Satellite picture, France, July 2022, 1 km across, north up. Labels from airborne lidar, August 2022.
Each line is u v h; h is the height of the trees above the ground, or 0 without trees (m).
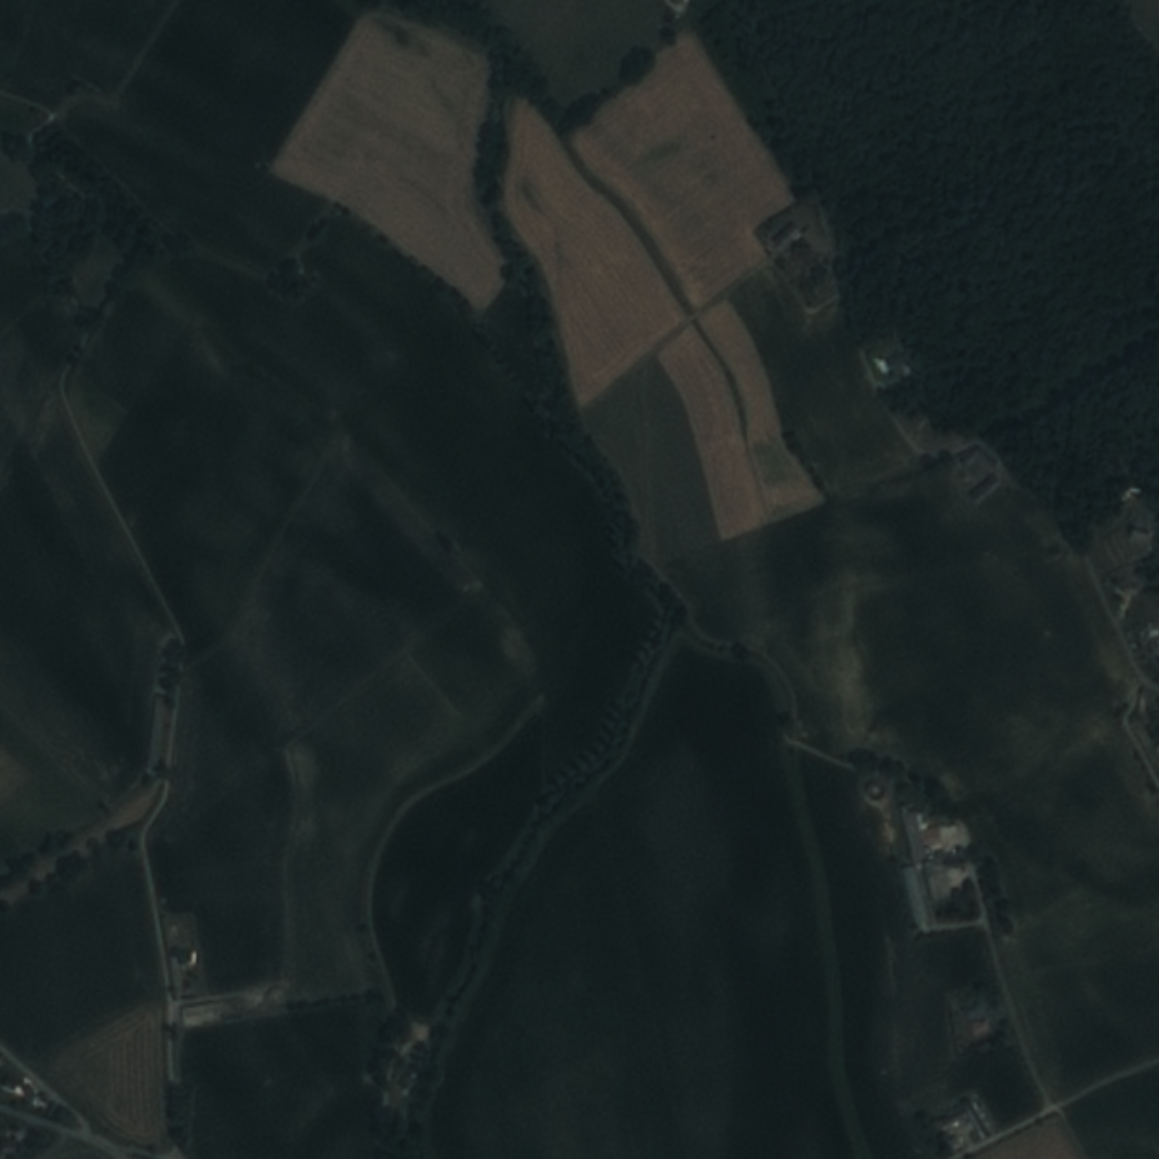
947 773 0
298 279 14
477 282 0
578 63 0
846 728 0
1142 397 26
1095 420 23
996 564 0
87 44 0
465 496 0
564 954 0
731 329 0
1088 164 16
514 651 0
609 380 0
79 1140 0
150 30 0
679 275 0
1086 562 0
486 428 0
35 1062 0
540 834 15
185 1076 0
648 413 0
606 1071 0
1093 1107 0
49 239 18
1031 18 25
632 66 18
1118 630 0
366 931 10
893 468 0
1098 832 0
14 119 0
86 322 18
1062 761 0
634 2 0
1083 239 19
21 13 0
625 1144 0
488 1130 0
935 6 16
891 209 22
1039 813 0
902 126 23
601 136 0
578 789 15
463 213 0
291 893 0
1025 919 0
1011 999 0
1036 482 17
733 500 0
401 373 0
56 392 0
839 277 16
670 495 0
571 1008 0
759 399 0
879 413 0
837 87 26
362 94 0
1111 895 0
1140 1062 0
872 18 25
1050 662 0
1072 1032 0
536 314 10
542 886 0
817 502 0
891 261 26
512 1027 0
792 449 13
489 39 21
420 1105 17
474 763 0
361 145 0
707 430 0
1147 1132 0
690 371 0
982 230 28
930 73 28
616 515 24
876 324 27
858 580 0
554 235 0
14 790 0
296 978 0
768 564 0
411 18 14
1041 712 0
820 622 0
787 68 23
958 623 0
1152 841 0
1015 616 0
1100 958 0
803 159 23
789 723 14
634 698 7
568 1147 0
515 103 0
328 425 0
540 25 0
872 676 0
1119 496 7
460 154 0
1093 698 0
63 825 0
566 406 20
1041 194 25
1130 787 0
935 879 0
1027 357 24
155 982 0
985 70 22
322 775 0
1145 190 19
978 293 28
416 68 0
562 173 0
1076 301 22
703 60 0
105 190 15
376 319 0
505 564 0
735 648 8
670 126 0
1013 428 24
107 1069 0
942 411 18
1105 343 20
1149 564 7
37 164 23
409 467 0
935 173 12
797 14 29
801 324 0
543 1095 0
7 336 0
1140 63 19
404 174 0
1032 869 0
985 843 0
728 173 0
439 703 0
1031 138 16
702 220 0
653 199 0
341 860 0
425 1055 22
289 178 0
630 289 0
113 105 0
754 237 0
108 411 0
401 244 0
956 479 0
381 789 0
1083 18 24
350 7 0
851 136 27
